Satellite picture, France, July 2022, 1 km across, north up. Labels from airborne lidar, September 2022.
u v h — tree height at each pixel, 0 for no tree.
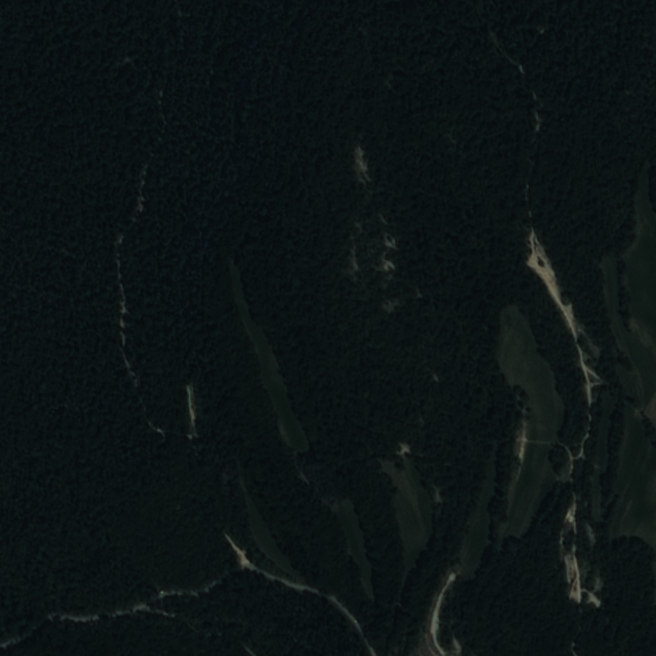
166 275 7
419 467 9
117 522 15
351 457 9
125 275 18
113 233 17
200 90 7
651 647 17
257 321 23
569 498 11
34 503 14
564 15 19
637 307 0
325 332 14
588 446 13
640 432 0
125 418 18
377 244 6
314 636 20
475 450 14
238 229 26
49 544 16
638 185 11
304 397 19
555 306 11
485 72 21
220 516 18
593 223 17
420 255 7
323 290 8
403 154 15
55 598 20
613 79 19
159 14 16
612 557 9
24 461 14
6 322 17
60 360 17
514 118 19
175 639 13
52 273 23
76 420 15
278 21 27
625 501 0
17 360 15
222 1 21
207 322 13
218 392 20
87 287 17
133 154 21
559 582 7
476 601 14
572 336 6
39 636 21
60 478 11
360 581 18
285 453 10
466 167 13
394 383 17
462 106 14
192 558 18
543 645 13
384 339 13
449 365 7
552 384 0
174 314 18
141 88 24
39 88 22
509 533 0
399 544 17
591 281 13
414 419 11
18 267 19
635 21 23
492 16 17
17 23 25
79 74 24
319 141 15
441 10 17
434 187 20
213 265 26
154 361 19
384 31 19
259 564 15
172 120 17
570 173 18
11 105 25
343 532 12
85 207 21
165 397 17
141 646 20
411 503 0
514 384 0
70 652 20
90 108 24
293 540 6
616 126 16
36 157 27
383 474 9
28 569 17
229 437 18
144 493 16
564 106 20
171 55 20
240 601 13
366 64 18
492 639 9
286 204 16
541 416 0
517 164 19
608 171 14
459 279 23
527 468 0
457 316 19
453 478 13
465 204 16
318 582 22
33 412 18
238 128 6
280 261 14
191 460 19
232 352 27
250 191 28
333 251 14
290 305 10
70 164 24
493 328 19
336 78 15
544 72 6
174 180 15
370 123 18
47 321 15
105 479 21
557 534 13
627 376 0
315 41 13
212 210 24
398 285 11
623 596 16
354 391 17
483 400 19
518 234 9
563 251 12
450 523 9
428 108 15
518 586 11
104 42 22
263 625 17
